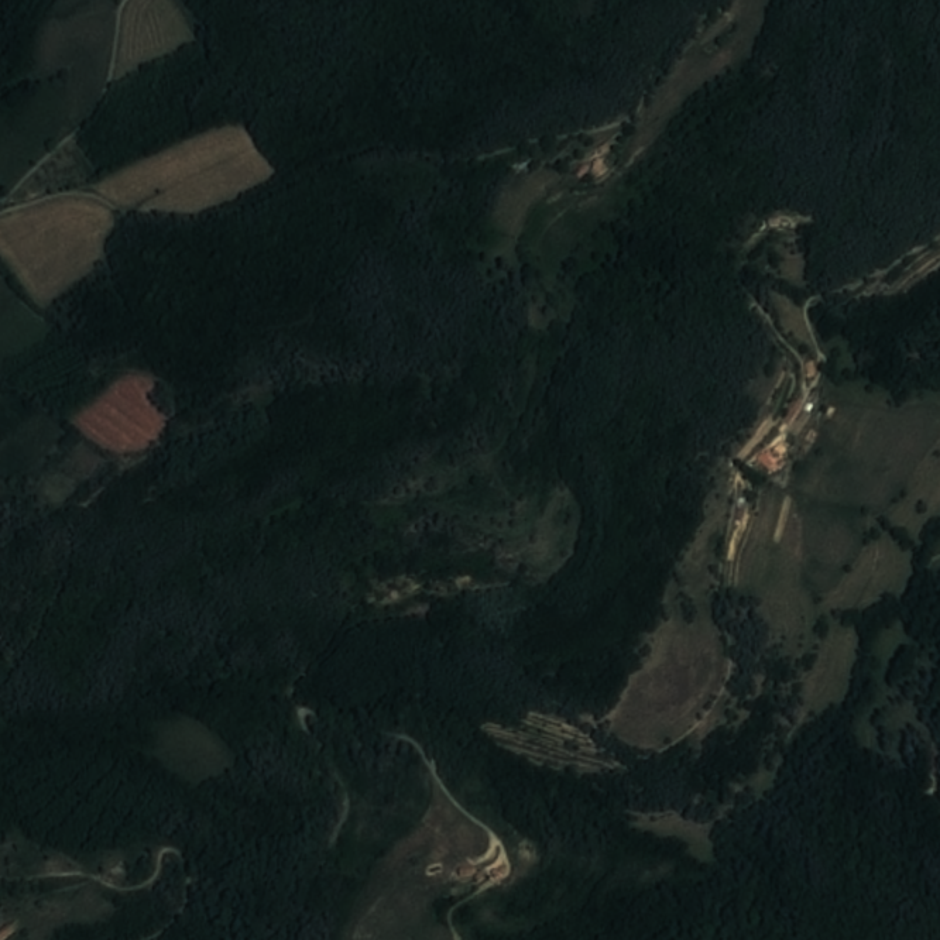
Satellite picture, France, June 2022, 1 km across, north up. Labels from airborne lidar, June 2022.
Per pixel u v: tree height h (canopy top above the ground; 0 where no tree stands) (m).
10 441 0
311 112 22
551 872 9
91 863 0
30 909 0
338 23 21
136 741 15
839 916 12
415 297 19
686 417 12
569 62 16
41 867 0
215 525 15
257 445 9
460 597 10
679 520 15
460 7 20
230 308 7
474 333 16
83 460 0
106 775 8
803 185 19
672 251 27
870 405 0
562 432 24
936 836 22
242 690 24
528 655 14
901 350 20
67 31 0
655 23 17
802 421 0
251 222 10
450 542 8
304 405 15
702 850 0
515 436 11
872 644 19
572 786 12
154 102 7
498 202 9
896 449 0
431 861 0
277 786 16
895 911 11
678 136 12
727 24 0
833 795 12
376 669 20
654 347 25
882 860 14
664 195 13
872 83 16
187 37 0
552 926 11
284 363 11
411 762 7
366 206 8
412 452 16
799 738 8
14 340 0
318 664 14
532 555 0
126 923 13
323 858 11
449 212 10
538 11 19
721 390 14
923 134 18
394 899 0
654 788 14
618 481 21
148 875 11
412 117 18
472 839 0
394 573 9
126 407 0
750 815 21
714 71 0
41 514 9
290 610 15
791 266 0
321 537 18
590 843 21
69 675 14
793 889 16
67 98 0
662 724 0
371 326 17
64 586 18
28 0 9
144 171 0
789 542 0
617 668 14
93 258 0
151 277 14
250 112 18
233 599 22
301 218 10
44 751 17
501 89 14
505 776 10
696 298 17
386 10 22
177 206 0
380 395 16
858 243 16
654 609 10
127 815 11
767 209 12
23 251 0
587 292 14
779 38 14
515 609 8
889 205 16
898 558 0
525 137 18
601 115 13
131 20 0
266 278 8
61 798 12
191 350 11
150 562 18
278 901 29
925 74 16
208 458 20
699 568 0
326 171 9
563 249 0
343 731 14
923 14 19
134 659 17
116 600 15
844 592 0
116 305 9
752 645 18
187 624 20
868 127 18
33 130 0
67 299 10
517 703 17
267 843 19
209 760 0
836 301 12
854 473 0
